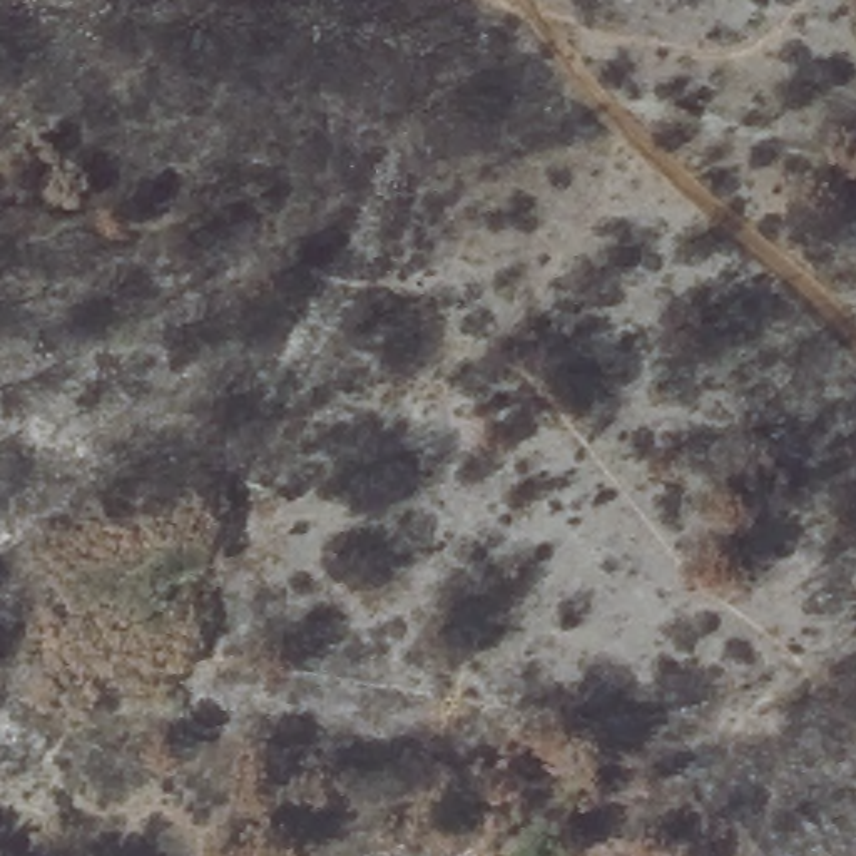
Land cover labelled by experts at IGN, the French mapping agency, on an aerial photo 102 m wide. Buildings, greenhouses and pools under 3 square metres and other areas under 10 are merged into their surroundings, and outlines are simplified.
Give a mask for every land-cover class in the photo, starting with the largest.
<instances>
[{"label":"bare soil","instance_id":"1","mask_svg":"<svg viewBox=\"0 0 856 856\"><path fill-rule=\"evenodd\" d=\"M829 124L849 130L853 140L846 154H856V0H0V552L27 535H43V525L60 532H80V505L90 498H100L114 525L134 515L174 512L177 498L184 495H201V502L217 518L214 542L207 545V552L217 555L214 585L194 582V612L201 635L187 649V659L197 662L191 679V696L201 702L197 712L187 719H157L120 716V709L94 706L87 712V732H70V739L60 749L43 742L37 729L10 722V716L3 712L13 655L27 632V619L33 615V599L27 575L0 558V856H221L227 823L237 816V799L227 792L234 749L247 739V732L257 726L264 712H311L321 726H344L364 739H391L405 736L415 726H428L435 732H448L458 752L482 742L495 746V762L508 769L515 756L535 749V736L558 739L565 732L558 712L522 709V696L542 692L555 682H578L595 659H615L629 665L639 682L635 699L665 702L669 719L652 732V739L635 756H622V769H629L632 782L619 792H609L612 806H625L622 829L612 839L585 849V856H856V247L839 244L833 261L813 268L796 244H789V231H779V237H766L759 221L766 214H786L789 204L809 207L826 221L856 217V177L823 161V127ZM37 134H43L60 157L74 161L87 174L90 184L80 197L47 184L50 171L37 157V147H30V137ZM736 502H742L752 515V528H742L749 562L762 575L752 595L736 582L706 589L702 578H689L682 572L685 562L699 558L702 515L732 518ZM388 799H364L351 809L354 819L344 823L348 836L324 843L311 856H492V846L482 843L475 833H418V826L405 823L401 836L395 839L385 833Z\"/></svg>","mask_w":856,"mask_h":856},{"label":"coniferous trees","instance_id":"2","mask_svg":"<svg viewBox=\"0 0 856 856\"><path fill-rule=\"evenodd\" d=\"M853 140L849 130L829 124L823 127V161L856 177V154H846ZM30 147H37V157L50 171L47 184L80 197L90 184L87 174L74 161L60 157L43 134H37L30 137ZM766 237H779V231H789V244H796L813 268L833 261L839 244L856 247V217L826 221L809 207L789 204L786 214H766L759 221ZM742 528H752V515L742 502H736L732 518L702 515L699 558L685 562L682 572L689 578H702L706 589L736 582L752 595L762 575L749 562ZM639 682L629 665L615 659H595L578 682H555L542 692L522 696V709L558 712L565 732L558 739L535 736V749L515 756L508 769L495 762V746L482 742L458 752L448 732H435L428 726H415L405 736L391 739H364L344 726H321L311 712H264L257 726L247 732V739L234 749L227 792L237 799V816L227 823L221 856H311L324 843L348 836L344 823L354 819L351 809L364 799H388L385 833L395 839L401 836L405 823L418 826V833H475L482 843L492 846V856H585V849L612 839L622 829L625 806H612L609 792H619L632 782L629 769H622V756H635L652 739V732L669 719L665 702L635 699Z\"/></svg>","mask_w":856,"mask_h":856},{"label":"brushwood","instance_id":"3","mask_svg":"<svg viewBox=\"0 0 856 856\"><path fill-rule=\"evenodd\" d=\"M217 518L201 502V495H184L177 498L174 512L134 515L114 525L100 498H90L80 505V532H60L43 525V535H27L0 552V558L27 575L33 599V615L27 619V632L13 655L3 712L10 716V722L37 729L43 742L60 749L70 739V732H87V712L94 706L120 709V716L157 719H187L197 712L201 702L191 696V679L197 662L187 659V649L201 635L194 612V582L214 585L217 555L207 552V545L214 542Z\"/></svg>","mask_w":856,"mask_h":856}]
</instances>
